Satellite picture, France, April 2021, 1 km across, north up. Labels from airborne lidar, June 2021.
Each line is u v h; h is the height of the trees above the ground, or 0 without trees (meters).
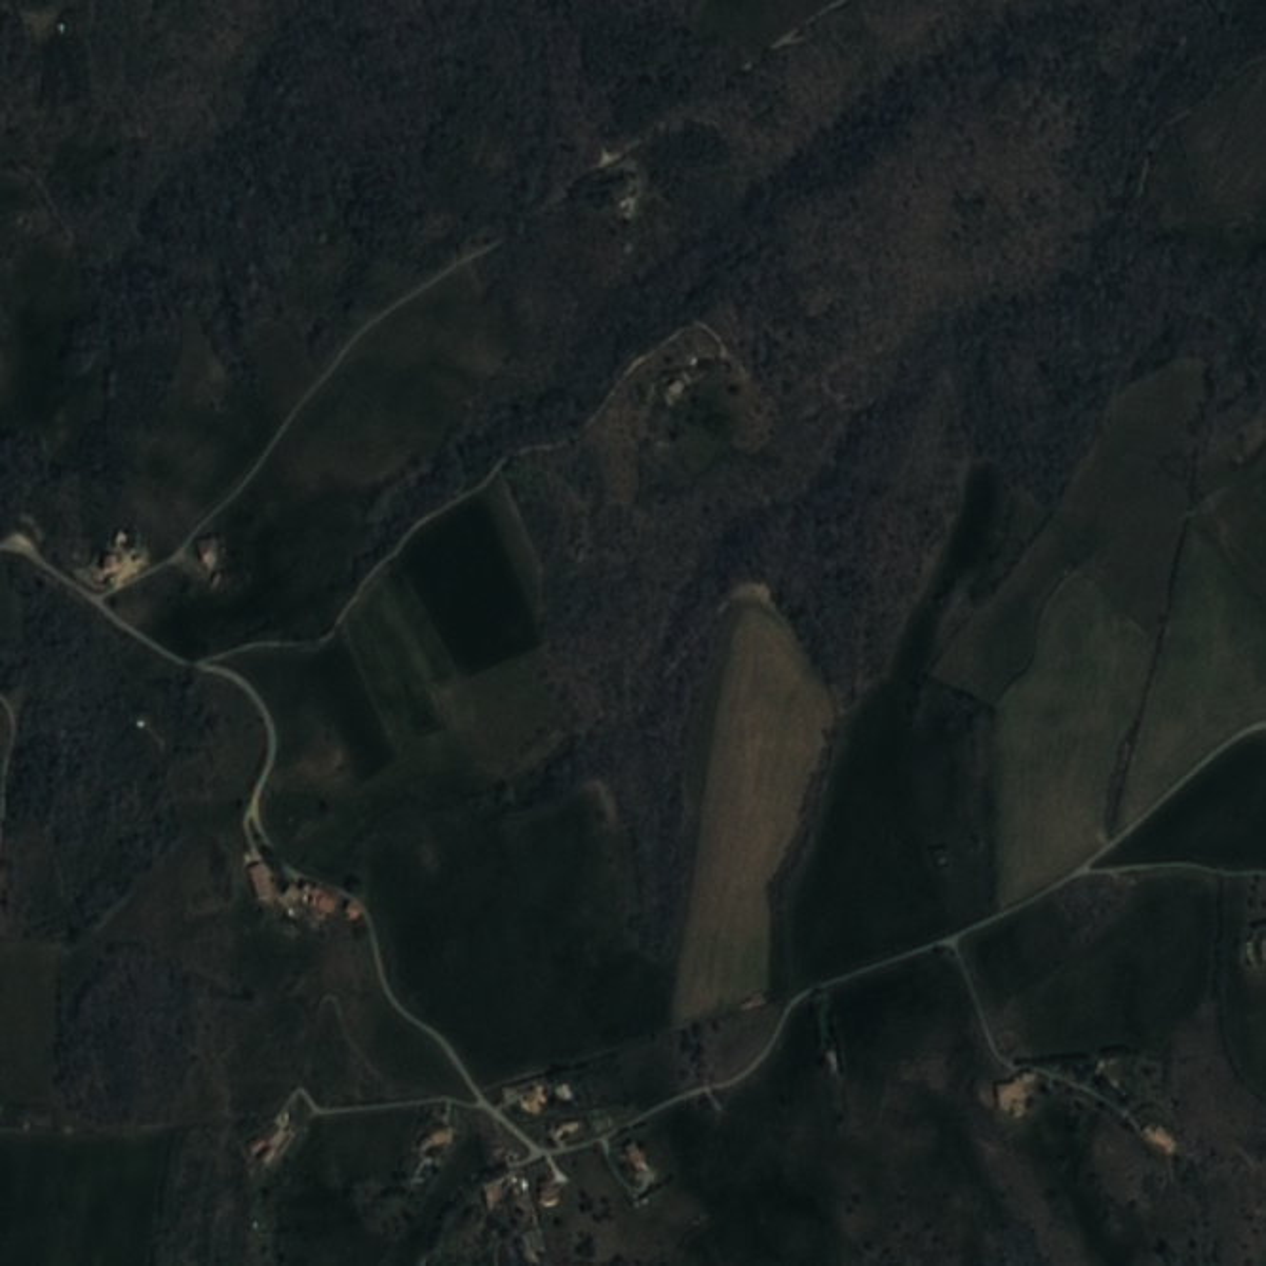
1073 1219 10
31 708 7
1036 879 0
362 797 0
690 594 10
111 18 10
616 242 9
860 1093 0
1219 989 6
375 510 18
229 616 0
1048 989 0
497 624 0
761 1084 0
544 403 14
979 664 0
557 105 13
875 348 9
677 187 13
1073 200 8
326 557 0
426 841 0
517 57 11
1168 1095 7
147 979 14
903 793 0
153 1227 0
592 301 10
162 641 0
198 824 0
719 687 0
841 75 12
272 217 17
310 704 0
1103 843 0
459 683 0
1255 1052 0
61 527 8
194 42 9
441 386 0
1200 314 9
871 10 7
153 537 0
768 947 0
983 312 15
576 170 10
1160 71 13
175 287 13
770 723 0
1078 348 14
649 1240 0
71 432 0
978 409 8
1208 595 0
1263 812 0
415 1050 0
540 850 0
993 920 0
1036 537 0
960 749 0
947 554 0
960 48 16
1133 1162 0
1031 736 0
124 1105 12
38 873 0
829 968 0
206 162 16
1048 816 0
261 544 0
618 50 14
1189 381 0
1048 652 0
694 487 10
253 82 20
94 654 7
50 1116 0
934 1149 0
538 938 0
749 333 10
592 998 0
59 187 11
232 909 0
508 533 0
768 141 9
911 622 0
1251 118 0
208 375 0
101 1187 0
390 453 0
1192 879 0
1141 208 6
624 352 7
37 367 0
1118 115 18
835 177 8
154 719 0
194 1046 8
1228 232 0
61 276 0
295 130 11
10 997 0
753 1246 0
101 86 10
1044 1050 0
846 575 7
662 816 17
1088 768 0
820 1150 0
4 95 9
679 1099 0
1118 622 0
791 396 10
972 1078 0
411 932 0
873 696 0
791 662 0
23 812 7
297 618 0
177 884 0
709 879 0
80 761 11
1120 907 0
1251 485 0
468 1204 13
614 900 0
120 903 7
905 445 6
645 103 14
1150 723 0
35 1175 0
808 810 8
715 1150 0
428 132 8
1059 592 0
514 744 0
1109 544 0
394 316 0
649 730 16
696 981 0
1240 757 0
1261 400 11
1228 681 0
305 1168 0
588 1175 0
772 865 0
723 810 0
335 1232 0
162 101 12
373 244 14
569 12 11
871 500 9
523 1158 0
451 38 11
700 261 11
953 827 0
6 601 0
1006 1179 0
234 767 0
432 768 0
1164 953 0
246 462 0
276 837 0
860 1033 0
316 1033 0
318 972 0
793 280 10
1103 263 15
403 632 0
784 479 18
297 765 0
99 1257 0
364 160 13
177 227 15
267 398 0
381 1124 0
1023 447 12
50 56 0
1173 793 0
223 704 0
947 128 11
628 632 8
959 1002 0
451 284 0
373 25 10
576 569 10
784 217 9
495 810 0
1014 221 6
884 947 0
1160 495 0
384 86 14
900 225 7
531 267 11
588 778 9
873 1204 0
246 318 9
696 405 9
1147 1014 0
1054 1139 0
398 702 0
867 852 0
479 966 0
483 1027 0
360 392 0
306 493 0
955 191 12
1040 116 6
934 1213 0
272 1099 0
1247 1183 0
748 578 9
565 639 6
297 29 15
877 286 9
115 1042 10
